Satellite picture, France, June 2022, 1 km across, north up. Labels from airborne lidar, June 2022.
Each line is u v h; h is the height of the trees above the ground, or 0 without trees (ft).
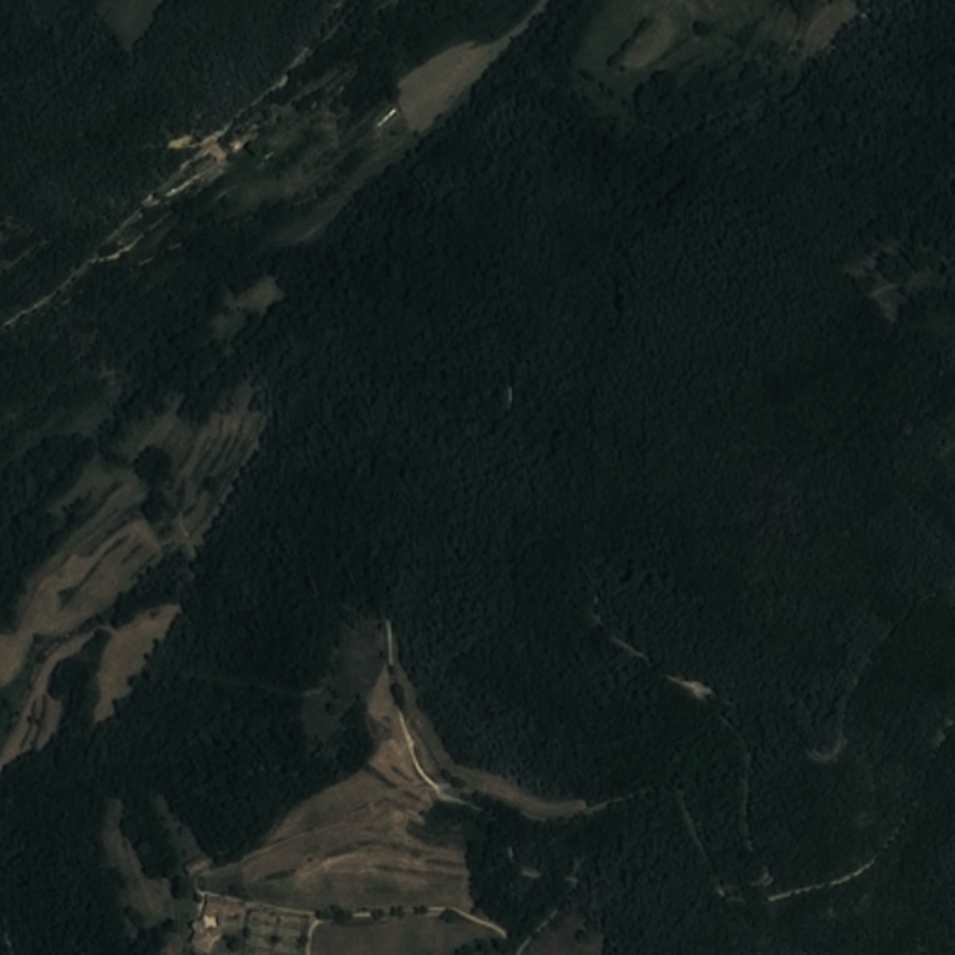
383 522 40
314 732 0
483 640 53
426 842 0
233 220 34
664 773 37
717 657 81
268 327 58
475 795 36
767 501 33
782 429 41
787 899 24
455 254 49
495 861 48
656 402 84
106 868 27
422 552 47
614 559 48
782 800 47
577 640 30
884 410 41
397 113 0
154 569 50
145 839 44
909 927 26
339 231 36
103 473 0
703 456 32
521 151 39
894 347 41
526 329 49
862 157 41
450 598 77
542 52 22
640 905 59
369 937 0
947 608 51
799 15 28
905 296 37
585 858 17
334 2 69
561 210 64
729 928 51
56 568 0
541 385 39
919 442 30
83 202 49
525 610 65
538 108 57
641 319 100
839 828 34
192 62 36
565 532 51
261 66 38
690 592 56
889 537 70
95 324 28
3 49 47
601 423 97
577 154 52
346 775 37
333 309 31
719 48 0
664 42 0
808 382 44
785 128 68
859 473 53
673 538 64
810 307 69
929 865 36
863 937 30
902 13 37
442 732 27
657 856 54
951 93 66
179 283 35
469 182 37
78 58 53
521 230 47
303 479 64
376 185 28
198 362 82
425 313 43
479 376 45
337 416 49
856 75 44
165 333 58
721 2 0
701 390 78
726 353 64
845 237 63
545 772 31
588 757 47
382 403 63
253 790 76
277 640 78
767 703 87
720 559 54
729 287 64
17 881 29
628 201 86
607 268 60
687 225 72
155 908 0
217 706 56
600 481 52
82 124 41
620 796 34
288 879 0
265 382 32
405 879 0
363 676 0
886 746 52
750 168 34
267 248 20
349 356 48
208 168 0
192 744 58
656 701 28
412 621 22
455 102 0
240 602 68
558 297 52
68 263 52
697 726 52
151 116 40
